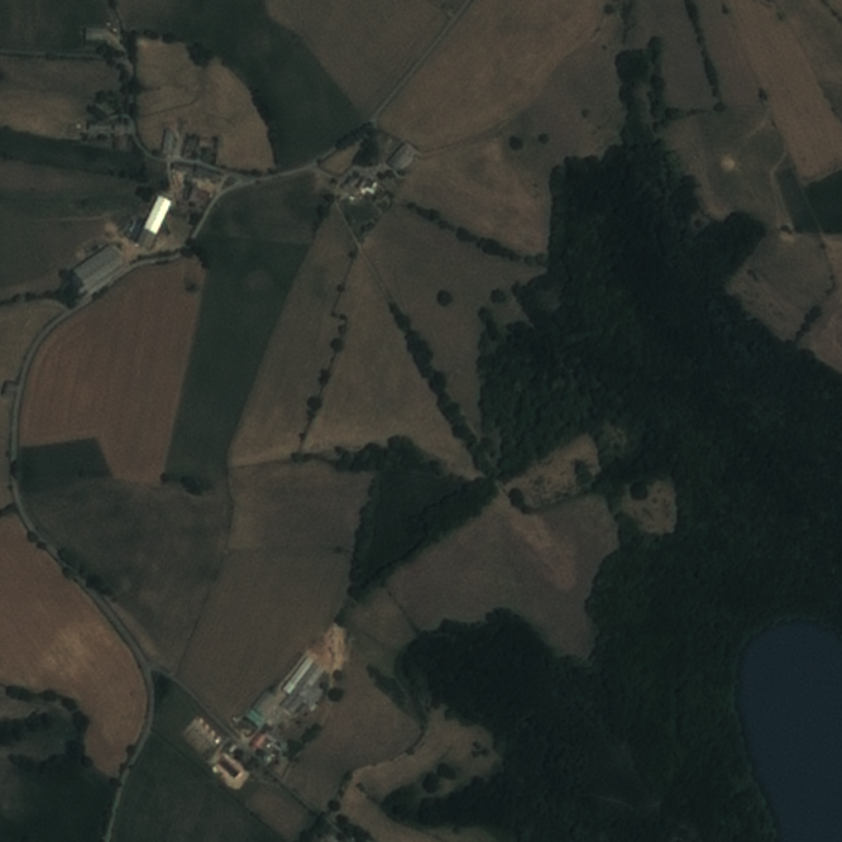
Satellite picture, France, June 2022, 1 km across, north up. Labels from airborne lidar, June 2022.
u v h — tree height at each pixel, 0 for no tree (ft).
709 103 0
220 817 0
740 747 42
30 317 0
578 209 57
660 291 49
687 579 95
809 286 0
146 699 0
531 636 74
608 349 53
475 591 0
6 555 0
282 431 0
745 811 50
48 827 0
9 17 0
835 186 0
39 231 0
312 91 0
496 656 51
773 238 0
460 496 50
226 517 0
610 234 59
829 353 0
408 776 0
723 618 73
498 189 0
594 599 50
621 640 46
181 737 0
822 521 71
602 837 61
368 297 0
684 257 43
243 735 0
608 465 51
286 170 0
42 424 0
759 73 0
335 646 0
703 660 65
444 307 33
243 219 0
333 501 0
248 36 0
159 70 0
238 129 0
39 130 0
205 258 40
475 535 0
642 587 69
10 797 0
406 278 0
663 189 59
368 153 42
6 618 0
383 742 0
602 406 28
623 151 46
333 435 0
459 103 0
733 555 61
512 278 0
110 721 0
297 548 0
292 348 0
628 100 44
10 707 0
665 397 61
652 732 48
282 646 0
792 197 0
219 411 0
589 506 0
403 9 0
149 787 0
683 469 65
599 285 60
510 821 63
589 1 0
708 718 63
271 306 0
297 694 0
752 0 0
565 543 0
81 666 0
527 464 40
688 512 57
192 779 0
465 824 46
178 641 0
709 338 61
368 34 0
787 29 0
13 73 0
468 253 0
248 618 0
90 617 0
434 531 59
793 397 58
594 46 0
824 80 0
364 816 0
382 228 0
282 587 0
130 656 0
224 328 0
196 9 0
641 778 33
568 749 39
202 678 0
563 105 0
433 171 0
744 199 0
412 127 0
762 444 68
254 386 0
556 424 58
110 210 0
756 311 0
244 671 0
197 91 0
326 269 0
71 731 0
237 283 0
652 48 41
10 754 0
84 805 0
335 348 40
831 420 59
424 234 0
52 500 0
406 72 0
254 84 0
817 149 0
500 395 61
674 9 0
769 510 54
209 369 0
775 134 0
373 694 0
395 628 0
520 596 0
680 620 67
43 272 0
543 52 0
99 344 0
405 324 49
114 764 0
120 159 0
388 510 0
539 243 0
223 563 0
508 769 45
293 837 0
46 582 0
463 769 0
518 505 45
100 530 0
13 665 0
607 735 22
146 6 0
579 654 0
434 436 0
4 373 0
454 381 0
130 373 0
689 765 27
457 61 0
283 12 0
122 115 25
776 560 40
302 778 0
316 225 25
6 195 0
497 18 0
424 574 0
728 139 0
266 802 0
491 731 30
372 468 48
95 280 0
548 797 71
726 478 73
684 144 0
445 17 0
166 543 0
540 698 56
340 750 0
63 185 0
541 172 0
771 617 39
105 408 0
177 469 0
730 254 52
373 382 0
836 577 41
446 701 57
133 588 0
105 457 0
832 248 0
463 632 53
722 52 0
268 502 0
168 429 0
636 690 50
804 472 67
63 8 0
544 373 58
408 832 0
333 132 0
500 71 0
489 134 0
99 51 31
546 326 62
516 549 0
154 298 0
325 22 0
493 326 51
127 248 0
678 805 29
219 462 0
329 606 0
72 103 0
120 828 0
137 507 0
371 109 0
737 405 51
